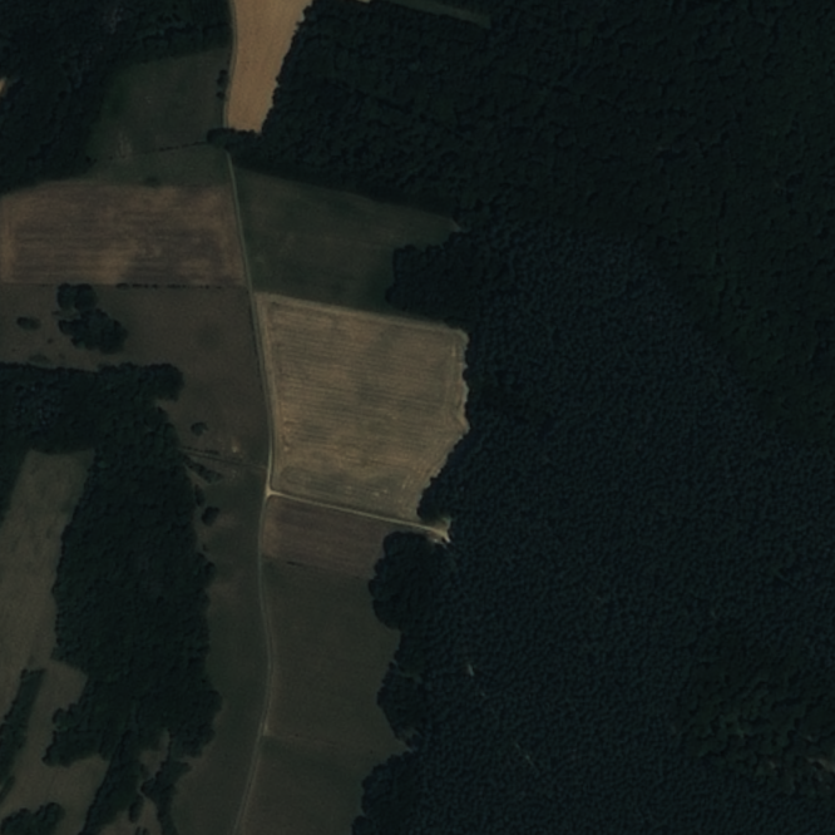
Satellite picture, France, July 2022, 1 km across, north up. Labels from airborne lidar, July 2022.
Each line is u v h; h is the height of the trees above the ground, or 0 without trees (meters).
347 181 22
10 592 0
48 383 14
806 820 30
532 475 26
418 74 30
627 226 29
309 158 28
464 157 31
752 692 25
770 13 25
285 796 0
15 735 13
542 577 31
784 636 29
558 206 25
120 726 20
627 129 29
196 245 0
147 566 25
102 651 18
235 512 0
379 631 0
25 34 28
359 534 0
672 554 37
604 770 32
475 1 22
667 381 30
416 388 0
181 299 0
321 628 0
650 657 33
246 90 0
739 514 27
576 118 32
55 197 0
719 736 29
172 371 18
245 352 0
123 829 0
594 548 26
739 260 26
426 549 24
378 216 0
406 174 18
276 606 0
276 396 0
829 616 30
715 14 30
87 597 11
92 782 0
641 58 32
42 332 0
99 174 0
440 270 15
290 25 0
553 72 29
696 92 30
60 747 15
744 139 27
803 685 21
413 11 12
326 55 30
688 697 28
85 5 32
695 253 26
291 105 21
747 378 20
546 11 25
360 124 30
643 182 28
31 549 0
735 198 28
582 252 27
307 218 0
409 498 0
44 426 16
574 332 27
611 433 34
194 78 0
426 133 34
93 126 28
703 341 20
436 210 10
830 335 27
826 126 26
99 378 10
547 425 7
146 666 20
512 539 31
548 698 26
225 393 0
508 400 10
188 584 17
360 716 0
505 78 29
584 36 29
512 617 30
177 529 23
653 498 31
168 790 20
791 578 27
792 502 28
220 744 0
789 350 28
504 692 27
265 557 0
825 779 23
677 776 37
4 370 19
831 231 29
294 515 0
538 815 26
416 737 0
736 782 35
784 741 28
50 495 0
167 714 23
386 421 0
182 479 17
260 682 0
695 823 36
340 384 0
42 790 0
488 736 34
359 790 0
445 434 0
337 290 0
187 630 22
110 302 0
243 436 0
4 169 29
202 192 0
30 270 0
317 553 0
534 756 30
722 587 34
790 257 24
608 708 32
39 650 0
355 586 0
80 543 16
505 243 28
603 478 31
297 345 0
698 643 32
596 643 36
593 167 30
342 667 0
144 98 0
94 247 0
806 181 29
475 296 20
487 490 29
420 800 33
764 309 27
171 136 0
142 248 0
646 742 27
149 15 21
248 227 0
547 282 31
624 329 30
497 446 29
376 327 0
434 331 0
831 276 26
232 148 20
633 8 29
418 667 19
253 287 0
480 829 29
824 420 24
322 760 0
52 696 0
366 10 15
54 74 31
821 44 28
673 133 29
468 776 29
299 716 0
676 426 29
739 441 29
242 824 0
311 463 0
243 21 0
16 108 29
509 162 29
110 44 29
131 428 9
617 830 33
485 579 33
